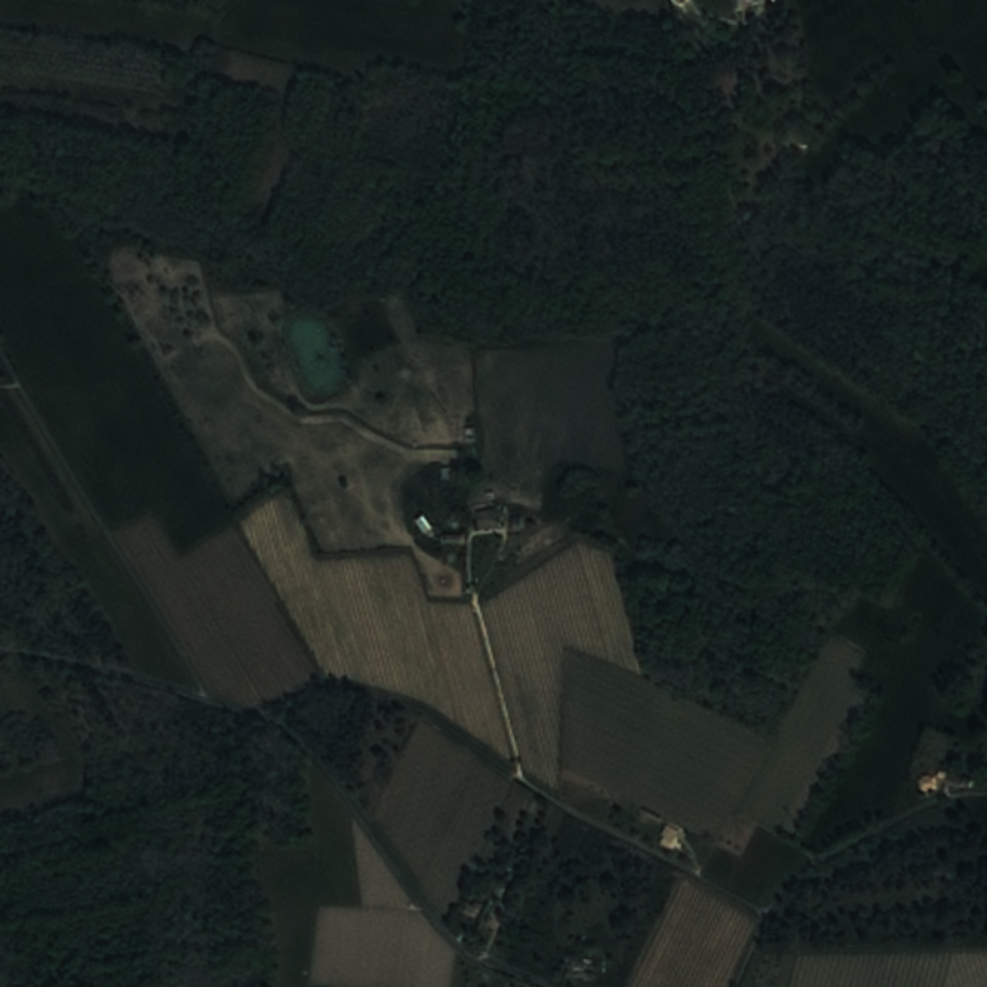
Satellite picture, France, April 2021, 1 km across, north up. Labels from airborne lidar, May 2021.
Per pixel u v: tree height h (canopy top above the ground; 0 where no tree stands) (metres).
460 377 0
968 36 0
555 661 0
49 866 20
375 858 0
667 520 11
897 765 0
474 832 0
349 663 0
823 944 17
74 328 0
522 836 7
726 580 12
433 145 9
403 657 0
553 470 0
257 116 18
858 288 17
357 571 0
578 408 0
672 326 18
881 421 0
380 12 0
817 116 22
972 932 9
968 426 18
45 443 0
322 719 20
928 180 24
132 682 10
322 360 8
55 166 20
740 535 16
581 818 0
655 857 0
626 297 24
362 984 0
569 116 24
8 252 0
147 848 17
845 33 0
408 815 0
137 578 0
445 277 27
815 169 0
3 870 22
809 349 13
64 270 0
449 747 0
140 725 10
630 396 14
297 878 0
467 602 0
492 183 15
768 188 23
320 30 0
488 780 0
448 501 0
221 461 0
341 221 13
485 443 0
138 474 0
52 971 12
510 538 7
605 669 0
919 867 12
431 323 14
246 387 0
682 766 0
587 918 0
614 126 24
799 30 9
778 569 21
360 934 0
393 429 0
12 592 16
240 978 12
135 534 0
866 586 15
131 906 19
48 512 0
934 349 20
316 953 0
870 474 16
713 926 0
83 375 0
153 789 19
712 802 0
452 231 21
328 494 0
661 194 15
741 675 12
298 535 0
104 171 24
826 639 12
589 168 14
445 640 0
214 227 23
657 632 12
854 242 21
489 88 16
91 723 10
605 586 0
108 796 14
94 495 0
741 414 9
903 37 0
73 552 0
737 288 24
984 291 18
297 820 9
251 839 10
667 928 0
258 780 18
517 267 11
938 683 0
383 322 0
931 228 20
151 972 11
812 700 0
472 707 0
